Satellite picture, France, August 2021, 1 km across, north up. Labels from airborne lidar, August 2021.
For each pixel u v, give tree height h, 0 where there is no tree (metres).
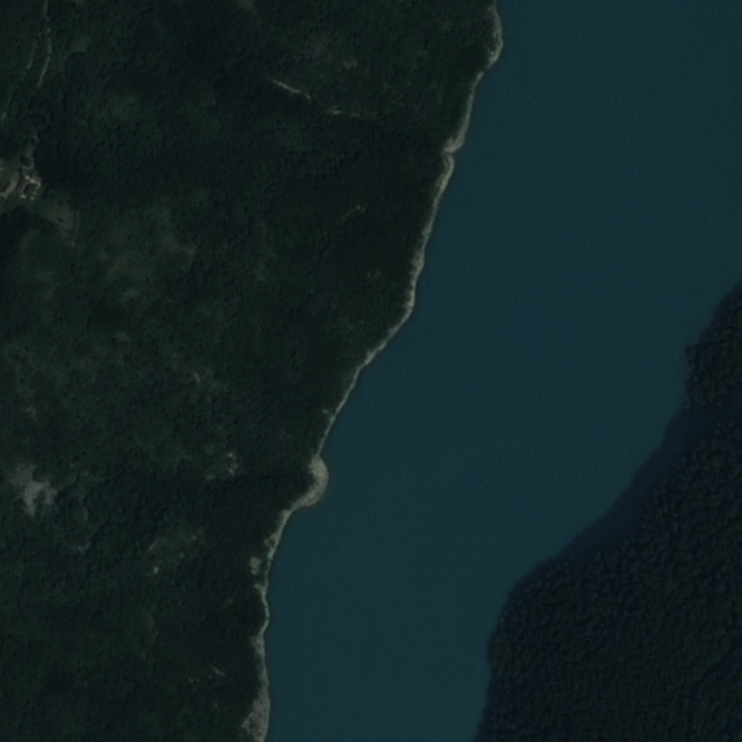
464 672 0
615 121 0
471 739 0
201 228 14
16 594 7
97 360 8
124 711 13
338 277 8
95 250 7
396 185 17
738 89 0
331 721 0
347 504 0
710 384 15
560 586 19
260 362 11
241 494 15
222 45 22
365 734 0
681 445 13
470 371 0
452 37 12
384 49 16
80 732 7
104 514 7
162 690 9
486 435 0
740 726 7
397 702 0
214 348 9
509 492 0
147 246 7
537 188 0
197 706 11
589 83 0
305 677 0
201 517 12
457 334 0
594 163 0
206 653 9
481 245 0
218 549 9
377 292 15
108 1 6
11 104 11
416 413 0
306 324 12
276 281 8
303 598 0
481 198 0
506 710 16
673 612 16
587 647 28
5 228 22
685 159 0
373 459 0
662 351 0
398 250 14
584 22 0
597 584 18
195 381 7
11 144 17
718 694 16
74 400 8
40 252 9
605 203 0
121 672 11
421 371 0
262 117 16
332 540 0
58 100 11
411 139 25
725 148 0
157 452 9
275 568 0
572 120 0
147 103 14
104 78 12
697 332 0
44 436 13
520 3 0
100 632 15
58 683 12
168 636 10
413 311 0
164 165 19
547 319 0
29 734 11
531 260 0
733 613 6
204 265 15
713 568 21
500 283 0
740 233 0
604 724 26
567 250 0
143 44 19
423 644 0
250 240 10
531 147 0
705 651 19
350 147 19
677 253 0
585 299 0
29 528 9
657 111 0
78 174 17
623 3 0
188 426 6
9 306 10
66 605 9
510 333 0
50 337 8
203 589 14
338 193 16
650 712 25
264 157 15
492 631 0
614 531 17
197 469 10
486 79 0
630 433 0
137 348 7
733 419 15
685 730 9
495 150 0
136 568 8
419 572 0
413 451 0
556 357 0
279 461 11
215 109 10
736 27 0
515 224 0
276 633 0
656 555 21
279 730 0
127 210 7
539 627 15
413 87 9
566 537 0
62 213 0
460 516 0
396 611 0
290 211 11
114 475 14
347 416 0
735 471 28
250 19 10
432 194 20
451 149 0
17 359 13
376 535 0
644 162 0
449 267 0
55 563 16
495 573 0
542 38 0
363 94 11
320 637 0
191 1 11
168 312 13
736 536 28
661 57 0
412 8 10
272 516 15
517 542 0
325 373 14
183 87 14
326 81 8
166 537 8
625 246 0
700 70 0
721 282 0
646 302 0
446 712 0
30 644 12
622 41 0
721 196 0
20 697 6
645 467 0
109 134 14
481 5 13
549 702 20
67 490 8
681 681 20
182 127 9
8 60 7
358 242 20
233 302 8
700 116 0
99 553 11
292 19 9
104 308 10
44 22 13
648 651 26
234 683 11
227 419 6
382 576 0
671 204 0
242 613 11
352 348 9
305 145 8
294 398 10
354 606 0
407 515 0
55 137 19
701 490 25
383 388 0
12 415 8
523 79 0
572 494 0
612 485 0
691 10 0
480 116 0
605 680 24
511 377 0
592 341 0
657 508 31
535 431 0
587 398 0
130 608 11
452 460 0
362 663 0
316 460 0
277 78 9
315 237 8
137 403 13
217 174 15
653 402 0
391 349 0
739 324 20
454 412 0
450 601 0
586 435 0
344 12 14
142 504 17
